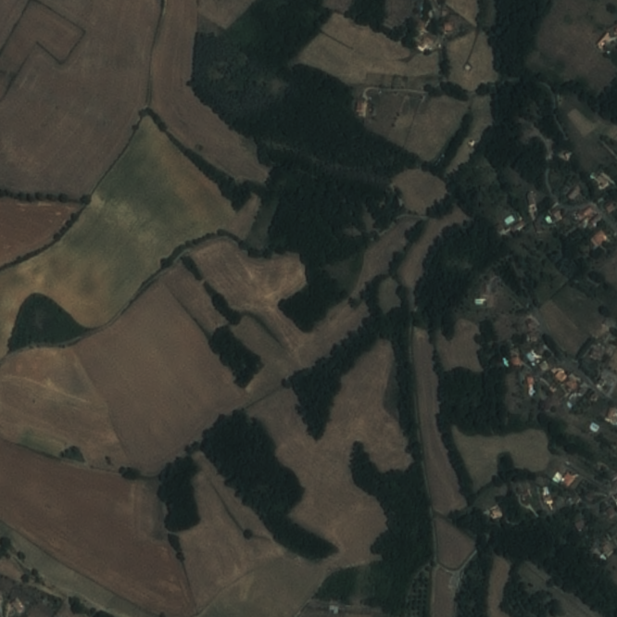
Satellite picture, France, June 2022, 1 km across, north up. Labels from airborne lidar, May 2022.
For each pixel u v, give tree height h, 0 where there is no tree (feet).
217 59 40
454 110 0
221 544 0
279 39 29
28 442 0
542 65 0
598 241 0
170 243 0
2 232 0
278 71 38
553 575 21
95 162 0
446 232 48
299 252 41
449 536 0
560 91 29
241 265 0
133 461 0
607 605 20
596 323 0
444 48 19
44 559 0
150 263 0
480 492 26
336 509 0
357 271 0
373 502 0
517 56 48
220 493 0
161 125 39
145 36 0
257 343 0
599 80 0
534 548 82
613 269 0
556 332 0
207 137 0
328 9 29
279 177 53
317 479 0
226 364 41
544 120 37
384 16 21
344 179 34
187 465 42
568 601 0
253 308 0
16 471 0
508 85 51
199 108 0
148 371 0
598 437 18
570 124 0
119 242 0
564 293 0
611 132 0
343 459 0
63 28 0
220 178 59
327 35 0
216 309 25
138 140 0
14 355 0
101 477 0
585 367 41
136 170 0
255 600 0
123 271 0
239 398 0
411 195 0
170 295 0
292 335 0
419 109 0
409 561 39
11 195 37
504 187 59
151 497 0
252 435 65
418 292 47
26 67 0
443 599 0
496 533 56
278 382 0
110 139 0
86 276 0
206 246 0
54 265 0
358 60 0
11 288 0
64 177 0
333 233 37
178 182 0
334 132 39
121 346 0
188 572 0
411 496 61
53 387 0
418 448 81
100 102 0
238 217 0
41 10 0
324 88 47
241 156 0
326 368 67
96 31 0
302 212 57
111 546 0
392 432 0
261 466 59
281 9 40
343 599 30
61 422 0
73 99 0
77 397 0
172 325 0
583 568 22
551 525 22
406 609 35
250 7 18
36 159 0
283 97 27
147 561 0
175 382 0
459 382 19
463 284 50
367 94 0
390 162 33
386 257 0
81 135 0
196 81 46
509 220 0
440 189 0
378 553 38
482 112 0
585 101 52
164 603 0
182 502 41
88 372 0
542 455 0
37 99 0
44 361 0
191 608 0
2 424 0
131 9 0
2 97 0
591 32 0
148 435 0
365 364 0
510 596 43
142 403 0
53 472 0
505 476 68
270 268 0
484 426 35
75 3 0
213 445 75
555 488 23
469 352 0
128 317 0
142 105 0
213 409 0
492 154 69
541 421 54
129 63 0
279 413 0
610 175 24
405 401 58
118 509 0
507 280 29
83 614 29
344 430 0
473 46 0
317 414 56
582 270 46
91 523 0
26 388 0
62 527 0
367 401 0
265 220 0
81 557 0
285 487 61
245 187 49
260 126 47
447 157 51
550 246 35
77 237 0
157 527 0
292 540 38
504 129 66
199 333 0
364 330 69
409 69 0
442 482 0
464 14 0
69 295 0
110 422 0
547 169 41
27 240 0
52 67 0
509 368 21
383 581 20
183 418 0
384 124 0
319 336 0
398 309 56
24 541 0
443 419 66
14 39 0
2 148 0
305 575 0
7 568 0
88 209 0
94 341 0
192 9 0
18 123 0
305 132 54
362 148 37
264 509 50
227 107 43
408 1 0
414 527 54
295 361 0
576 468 0
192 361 0
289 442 0
